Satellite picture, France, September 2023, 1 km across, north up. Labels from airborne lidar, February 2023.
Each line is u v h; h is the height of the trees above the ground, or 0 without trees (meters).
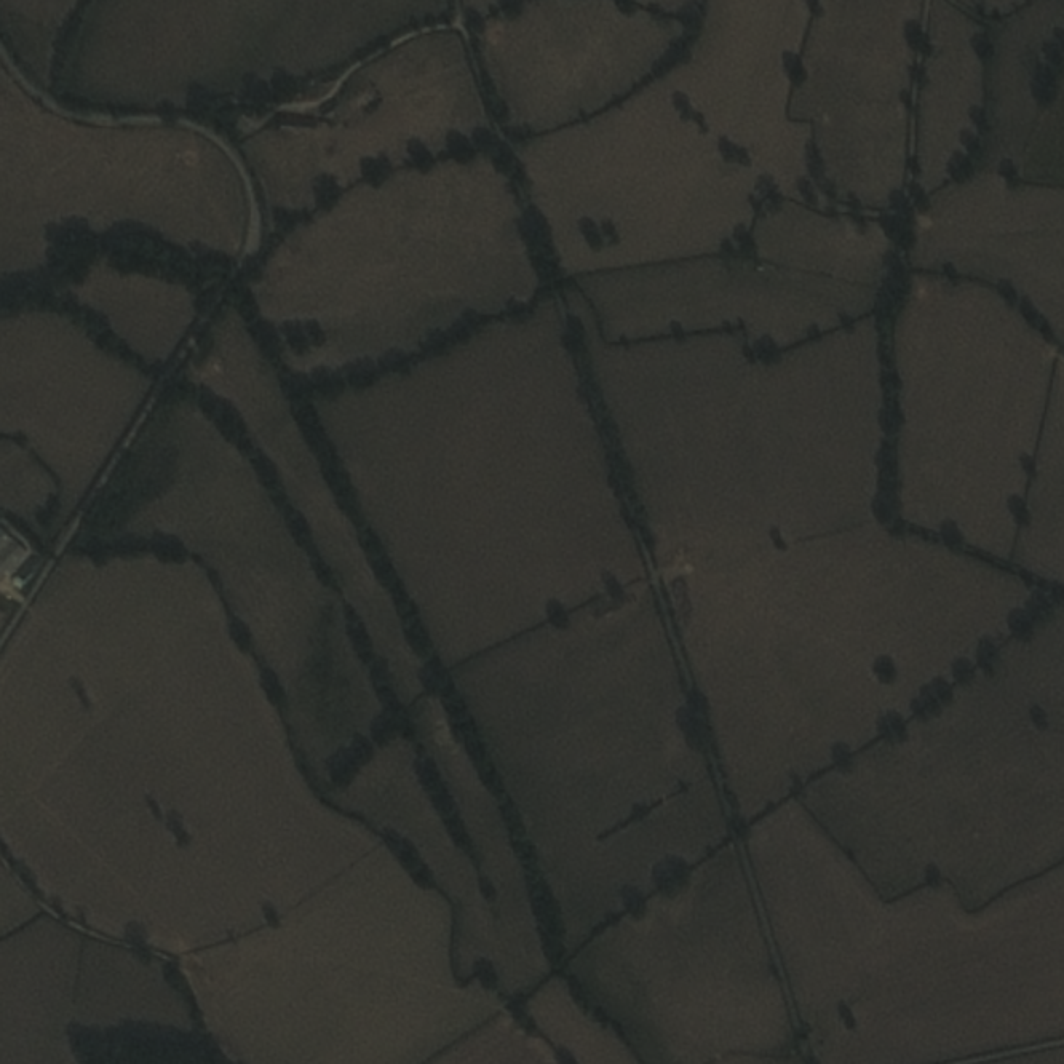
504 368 0
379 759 0
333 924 0
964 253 0
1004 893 0
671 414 0
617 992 0
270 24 0
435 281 0
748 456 0
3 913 0
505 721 0
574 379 0
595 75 0
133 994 0
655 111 0
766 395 0
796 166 0
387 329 0
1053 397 0
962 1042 0
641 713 0
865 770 0
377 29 0
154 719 0
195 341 11
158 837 0
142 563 0
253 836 0
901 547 0
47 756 0
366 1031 0
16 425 0
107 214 0
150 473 0
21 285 15
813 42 0
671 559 0
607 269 0
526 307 6
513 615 0
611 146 0
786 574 0
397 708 22
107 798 0
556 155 0
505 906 0
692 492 0
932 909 0
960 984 0
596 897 0
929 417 0
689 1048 0
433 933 0
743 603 0
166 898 0
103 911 0
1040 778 0
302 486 0
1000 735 0
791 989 0
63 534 0
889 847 0
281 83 17
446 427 0
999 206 0
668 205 0
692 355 0
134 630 0
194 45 0
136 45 0
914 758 0
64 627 0
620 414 0
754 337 0
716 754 7
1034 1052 0
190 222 0
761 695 0
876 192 0
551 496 0
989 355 0
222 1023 0
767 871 0
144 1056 26
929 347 0
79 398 0
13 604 0
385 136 0
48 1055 0
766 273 0
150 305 0
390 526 0
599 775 0
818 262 0
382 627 0
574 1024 0
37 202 0
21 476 0
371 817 0
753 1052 0
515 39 0
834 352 0
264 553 0
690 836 0
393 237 0
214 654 0
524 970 0
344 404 0
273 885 0
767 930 0
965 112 0
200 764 0
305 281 0
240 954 0
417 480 0
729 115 0
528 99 0
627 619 0
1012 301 16
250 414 0
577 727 0
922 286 0
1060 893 0
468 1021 0
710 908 0
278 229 7
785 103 0
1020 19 0
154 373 11
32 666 0
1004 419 0
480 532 0
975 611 0
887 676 13
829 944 0
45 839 0
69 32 13
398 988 0
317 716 0
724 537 0
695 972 0
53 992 0
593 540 0
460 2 0
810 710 0
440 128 0
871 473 0
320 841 0
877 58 0
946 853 0
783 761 0
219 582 15
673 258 0
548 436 0
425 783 18
